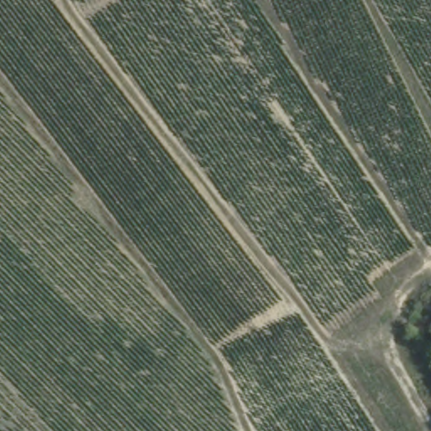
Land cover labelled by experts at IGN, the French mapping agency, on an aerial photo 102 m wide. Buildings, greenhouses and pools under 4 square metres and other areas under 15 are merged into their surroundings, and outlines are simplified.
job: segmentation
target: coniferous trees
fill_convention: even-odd
[[[399,357],[406,365],[407,374],[411,375],[414,386],[423,396],[429,414],[429,431],[431,431],[431,271],[418,276],[418,288],[409,295],[402,306],[401,315],[392,325],[394,340],[399,349]]]

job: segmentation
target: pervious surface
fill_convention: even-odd
[[[389,342],[384,360],[391,370],[392,377],[401,387],[407,404],[416,414],[418,428],[421,431],[429,431],[429,414],[423,396],[414,386],[411,375],[407,374],[406,365],[399,357],[399,349],[394,340]]]

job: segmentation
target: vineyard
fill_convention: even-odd
[[[411,256],[418,256],[424,263],[426,253],[431,254],[431,0],[0,0],[0,431],[374,431],[370,423],[375,421],[374,416],[370,414],[369,407],[360,397],[359,391],[352,386],[349,375],[343,372],[338,360],[333,357],[325,337],[332,337],[332,333],[340,328],[342,323],[349,322],[360,308],[379,298],[374,281],[382,276],[382,273],[386,273],[387,269],[394,268]]]

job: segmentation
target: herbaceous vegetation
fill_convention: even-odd
[[[418,256],[411,256],[394,268],[387,269],[386,273],[382,273],[382,276],[374,281],[379,298],[360,308],[349,322],[342,323],[340,328],[332,333],[332,337],[325,337],[333,357],[338,360],[343,372],[349,375],[352,386],[359,391],[360,397],[369,407],[370,414],[374,416],[375,421],[370,423],[374,431],[421,431],[418,428],[416,414],[407,404],[401,387],[392,377],[391,370],[384,360],[389,342],[394,340],[392,325],[401,315],[402,306],[409,295],[418,288],[418,276],[431,271],[431,254],[426,253],[424,263]]]

